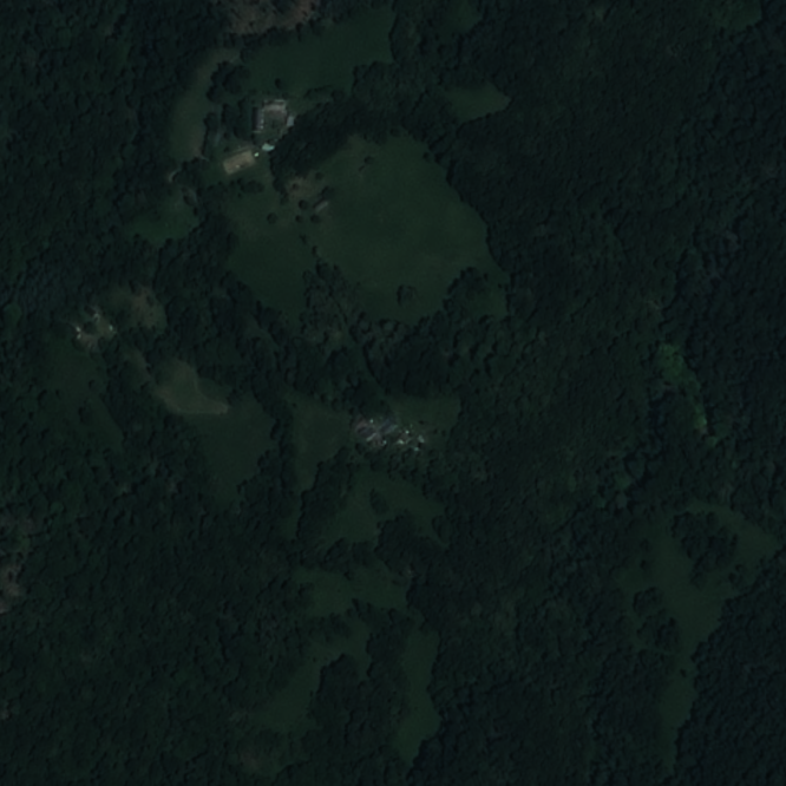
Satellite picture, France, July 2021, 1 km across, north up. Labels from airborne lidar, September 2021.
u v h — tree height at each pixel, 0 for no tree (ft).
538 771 74
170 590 64
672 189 73
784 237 107
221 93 55
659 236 100
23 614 55
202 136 0
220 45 93
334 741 73
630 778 59
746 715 74
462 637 80
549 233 78
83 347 38
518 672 65
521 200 86
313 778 23
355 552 78
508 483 97
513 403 77
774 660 85
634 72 90
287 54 0
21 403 72
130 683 33
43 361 46
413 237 0
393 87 43
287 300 0
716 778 85
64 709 62
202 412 0
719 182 81
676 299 38
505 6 98
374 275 0
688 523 80
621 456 23
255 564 50
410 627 59
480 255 0
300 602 33
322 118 44
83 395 0
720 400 86
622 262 47
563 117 52
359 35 0
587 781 99
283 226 0
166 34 95
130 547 75
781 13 86
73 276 96
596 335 93
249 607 63
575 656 73
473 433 58
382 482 0
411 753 0
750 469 98
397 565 98
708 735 35
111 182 50
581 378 97
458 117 41
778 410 83
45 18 116
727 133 86
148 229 0
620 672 77
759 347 94
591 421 73
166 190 50
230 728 72
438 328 88
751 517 67
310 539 79
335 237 0
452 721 87
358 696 88
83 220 90
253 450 0
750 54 108
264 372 83
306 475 0
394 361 79
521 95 57
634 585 0
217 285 92
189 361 44
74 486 82
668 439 93
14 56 84
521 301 77
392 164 0
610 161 80
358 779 55
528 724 79
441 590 93
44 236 48
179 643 35
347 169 0
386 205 0
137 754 50
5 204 59
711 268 92
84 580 81
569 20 58
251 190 45
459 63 23
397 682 73
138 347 51
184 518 80
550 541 94
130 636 69
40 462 100
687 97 69
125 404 58
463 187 90
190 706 41
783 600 74
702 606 0
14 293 105
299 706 0
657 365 124
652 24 71
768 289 75
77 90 102
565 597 95
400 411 0
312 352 117
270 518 86
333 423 0
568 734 91
